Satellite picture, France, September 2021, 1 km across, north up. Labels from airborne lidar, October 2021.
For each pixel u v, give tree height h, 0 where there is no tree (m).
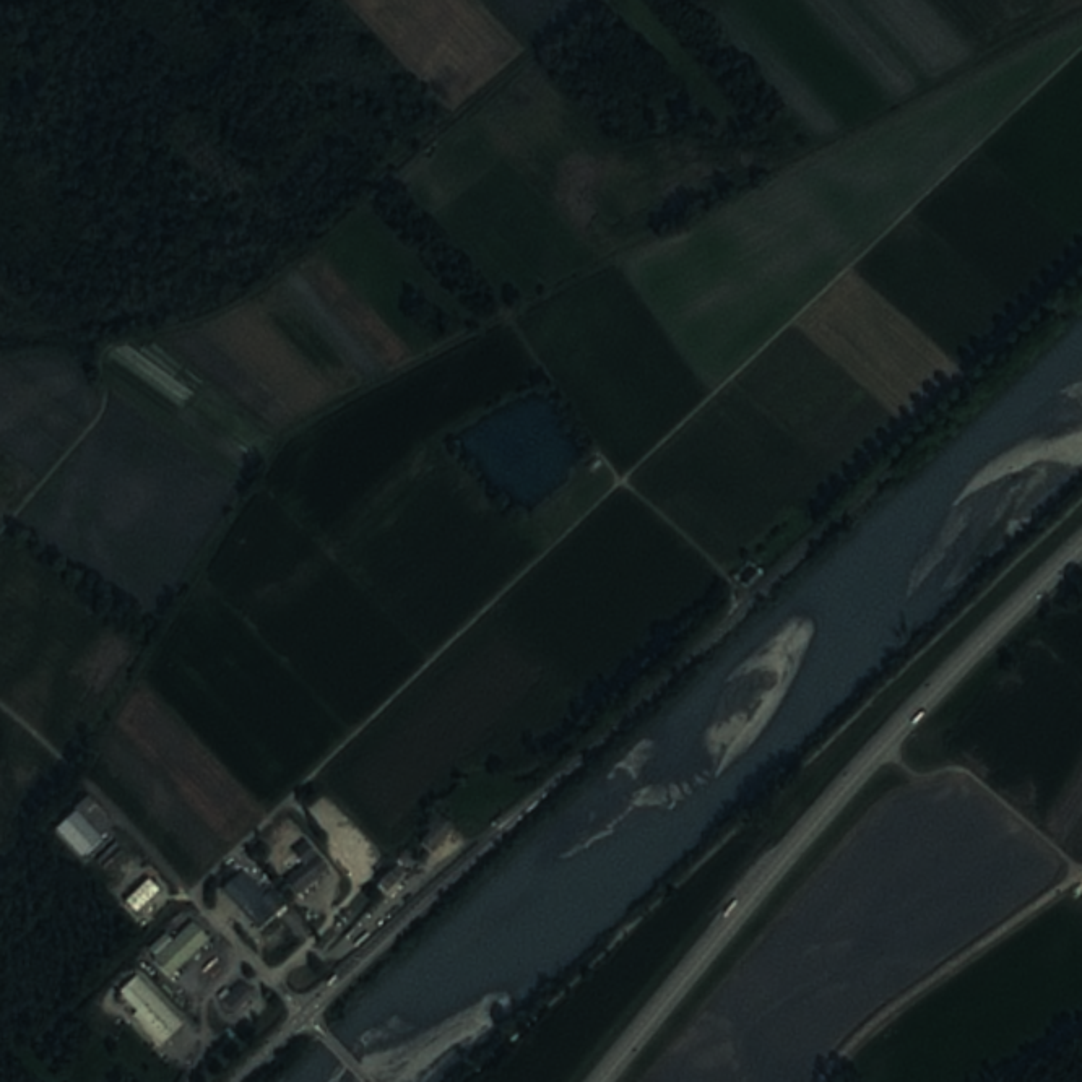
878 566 0
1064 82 0
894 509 0
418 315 24
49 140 19
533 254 0
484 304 17
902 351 0
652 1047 0
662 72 23
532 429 0
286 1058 12
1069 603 21
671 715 0
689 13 20
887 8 0
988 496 0
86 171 18
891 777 0
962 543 0
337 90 13
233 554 0
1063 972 0
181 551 0
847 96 0
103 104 21
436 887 0
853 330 0
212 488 0
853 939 0
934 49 0
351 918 0
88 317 14
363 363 0
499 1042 8
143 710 0
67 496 0
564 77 15
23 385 0
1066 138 0
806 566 6
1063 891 0
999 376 26
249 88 11
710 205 12
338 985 0
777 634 0
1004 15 0
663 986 0
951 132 0
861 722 0
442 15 0
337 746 0
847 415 0
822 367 0
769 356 0
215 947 0
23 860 9
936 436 25
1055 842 0
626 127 19
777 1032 0
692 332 0
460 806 0
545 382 15
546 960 0
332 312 0
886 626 0
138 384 0
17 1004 13
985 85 0
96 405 0
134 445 0
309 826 0
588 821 0
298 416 0
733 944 0
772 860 0
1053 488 0
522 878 0
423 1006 0
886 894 0
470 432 0
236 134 14
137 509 0
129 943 21
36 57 27
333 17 9
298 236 12
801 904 0
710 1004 0
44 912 17
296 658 0
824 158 0
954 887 0
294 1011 0
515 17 0
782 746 0
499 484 0
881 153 0
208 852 0
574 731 17
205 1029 0
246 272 18
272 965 0
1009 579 0
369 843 0
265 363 0
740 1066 0
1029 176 0
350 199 22
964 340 0
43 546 9
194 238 26
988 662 0
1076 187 0
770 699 0
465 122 0
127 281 13
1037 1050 0
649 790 0
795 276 0
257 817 0
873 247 0
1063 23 0
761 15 0
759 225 0
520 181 0
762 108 16
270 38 13
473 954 0
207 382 0
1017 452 0
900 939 0
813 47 0
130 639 10
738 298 0
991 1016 0
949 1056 0
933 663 0
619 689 15
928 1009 0
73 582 14
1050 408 0
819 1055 0
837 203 0
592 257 0
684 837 0
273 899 0
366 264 0
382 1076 0
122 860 0
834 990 0
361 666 0
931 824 0
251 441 0
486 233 0
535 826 14
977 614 0
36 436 0
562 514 0
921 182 0
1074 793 0
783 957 0
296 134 12
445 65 0
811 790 0
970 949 0
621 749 10
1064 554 0
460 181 0
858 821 0
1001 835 0
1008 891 0
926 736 0
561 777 0
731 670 0
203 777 0
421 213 12
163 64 23
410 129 10
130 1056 0
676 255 0
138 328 17
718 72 20
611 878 0
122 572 0
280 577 0
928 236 0
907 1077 0
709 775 0
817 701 0
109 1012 0
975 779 0
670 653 31
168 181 10
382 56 6
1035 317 23
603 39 25
